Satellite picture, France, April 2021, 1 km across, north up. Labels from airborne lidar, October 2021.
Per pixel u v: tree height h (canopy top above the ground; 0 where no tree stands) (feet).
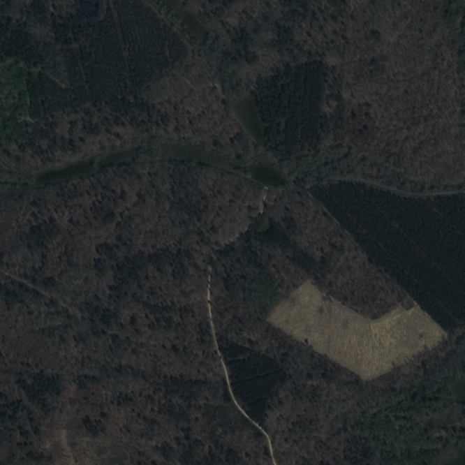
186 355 32
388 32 48
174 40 40
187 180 38
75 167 0
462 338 23
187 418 35
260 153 45
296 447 46
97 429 50
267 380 43
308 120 54
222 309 25
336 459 41
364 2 57
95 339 71
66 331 51
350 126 54
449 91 60
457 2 73
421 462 92
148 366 46
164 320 39
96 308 47
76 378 45
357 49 36
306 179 50
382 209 52
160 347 44
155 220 46
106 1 35
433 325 0
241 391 48
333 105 45
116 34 36
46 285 49
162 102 32
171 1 0
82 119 53
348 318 0
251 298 72
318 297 0
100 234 62
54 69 40
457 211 44
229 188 44
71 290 58
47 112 37
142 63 41
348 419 24
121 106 75
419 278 50
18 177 64
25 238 65
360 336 0
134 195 40
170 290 57
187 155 0
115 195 20
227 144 31
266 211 44
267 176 0
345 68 41
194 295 51
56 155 48
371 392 54
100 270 83
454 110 56
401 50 61
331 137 55
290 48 84
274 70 42
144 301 31
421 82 40
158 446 37
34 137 48
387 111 44
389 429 72
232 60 81
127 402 41
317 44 56
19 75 56
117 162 0
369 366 0
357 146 29
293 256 37
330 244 31
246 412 37
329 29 52
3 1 45
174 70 50
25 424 23
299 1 103
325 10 52
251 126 0
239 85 64
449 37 25
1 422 70
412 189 47
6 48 46
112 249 31
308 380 52
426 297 51
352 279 34
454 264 51
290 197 45
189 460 63
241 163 79
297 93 48
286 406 31
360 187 49
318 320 0
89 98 38
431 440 73
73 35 34
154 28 35
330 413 45
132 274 65
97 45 26
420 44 28
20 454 20
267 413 34
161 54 40
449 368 57
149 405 26
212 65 76
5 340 32
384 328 0
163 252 33
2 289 31
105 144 58
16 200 27
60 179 0
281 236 59
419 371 50
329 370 37
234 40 81
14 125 49
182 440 36
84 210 44
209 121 33
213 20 91
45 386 53
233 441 23
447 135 60
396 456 80
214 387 32
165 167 38
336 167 40
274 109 85
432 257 50
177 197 47
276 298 66
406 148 60
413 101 41
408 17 25
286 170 76
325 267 73
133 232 60
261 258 35
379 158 32
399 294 55
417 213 48
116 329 54
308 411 22
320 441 29
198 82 57
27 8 49
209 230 20
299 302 0
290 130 44
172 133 46
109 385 36
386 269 49
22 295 67
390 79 41
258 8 57
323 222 38
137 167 68
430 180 48
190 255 51
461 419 53
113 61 38
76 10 37
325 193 41
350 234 52
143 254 28
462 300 54
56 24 70
